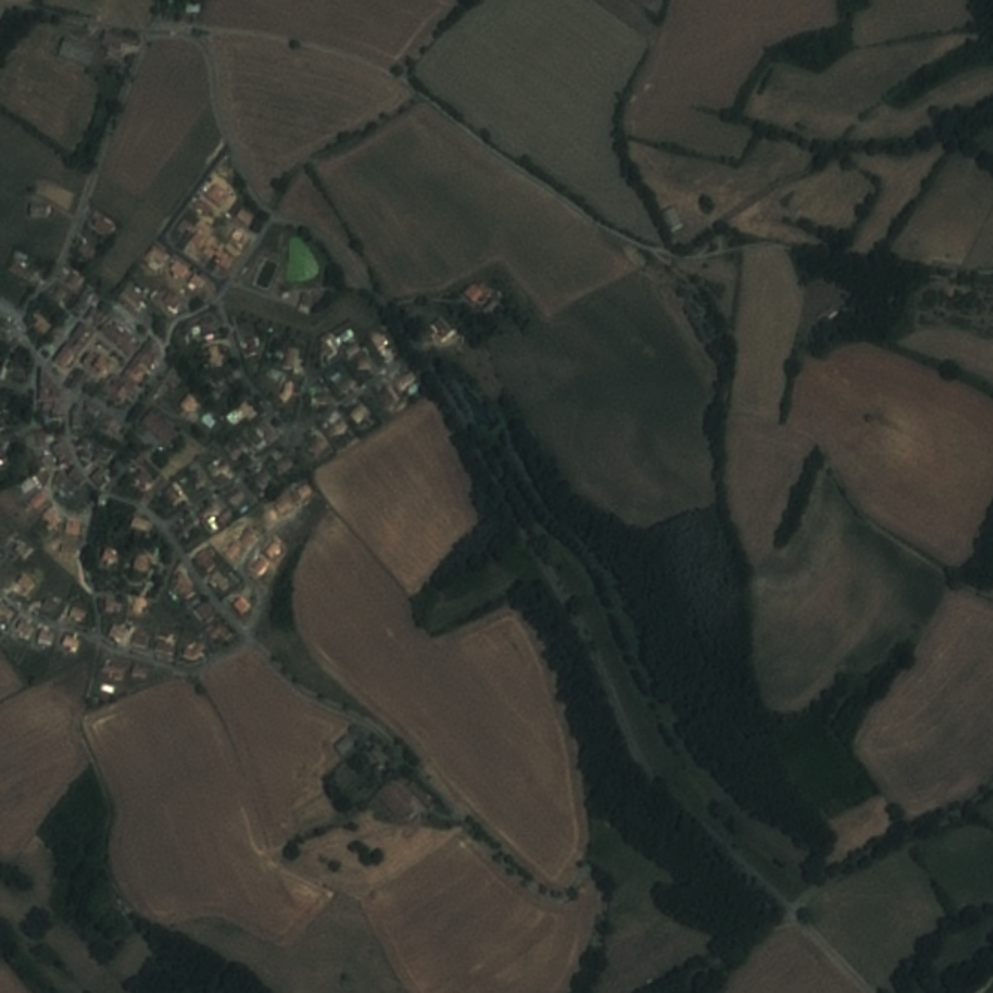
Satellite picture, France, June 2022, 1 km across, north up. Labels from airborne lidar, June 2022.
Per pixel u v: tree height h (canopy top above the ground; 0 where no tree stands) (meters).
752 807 23
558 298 0
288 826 0
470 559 16
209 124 0
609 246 0
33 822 0
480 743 0
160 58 0
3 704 0
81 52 0
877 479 0
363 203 0
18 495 0
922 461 0
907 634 0
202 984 15
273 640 0
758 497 0
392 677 0
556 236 0
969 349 0
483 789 0
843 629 0
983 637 0
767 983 0
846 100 0
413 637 0
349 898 0
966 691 0
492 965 0
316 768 0
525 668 0
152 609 0
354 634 0
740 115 13
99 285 8
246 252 0
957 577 15
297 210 0
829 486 0
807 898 0
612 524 16
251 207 9
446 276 0
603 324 0
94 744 0
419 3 0
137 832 0
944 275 10
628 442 0
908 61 0
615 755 20
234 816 0
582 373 0
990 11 12
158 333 9
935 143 9
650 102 0
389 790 0
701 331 12
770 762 17
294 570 7
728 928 19
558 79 0
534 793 0
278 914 0
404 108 7
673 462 0
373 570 0
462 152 0
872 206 11
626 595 21
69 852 12
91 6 0
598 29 0
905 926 0
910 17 0
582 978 16
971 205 0
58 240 0
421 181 0
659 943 0
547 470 18
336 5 0
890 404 0
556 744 0
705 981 20
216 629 0
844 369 0
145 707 0
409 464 0
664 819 29
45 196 0
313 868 0
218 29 0
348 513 0
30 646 0
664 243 7
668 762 0
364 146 0
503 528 17
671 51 0
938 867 0
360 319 0
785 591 0
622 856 0
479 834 7
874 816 0
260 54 0
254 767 0
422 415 0
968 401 0
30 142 0
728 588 9
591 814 10
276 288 0
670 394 0
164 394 0
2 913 0
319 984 0
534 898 0
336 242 0
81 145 7
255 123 0
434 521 0
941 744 0
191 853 0
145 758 0
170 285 0
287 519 0
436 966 0
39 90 0
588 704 18
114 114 11
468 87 0
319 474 0
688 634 19
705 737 22
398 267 0
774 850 0
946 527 0
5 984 0
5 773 0
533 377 0
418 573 0
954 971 15
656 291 0
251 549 0
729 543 11
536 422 0
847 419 0
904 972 15
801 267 11
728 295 0
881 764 0
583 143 0
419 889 0
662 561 16
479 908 0
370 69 0
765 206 0
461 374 6
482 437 15
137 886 0
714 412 16
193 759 0
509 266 0
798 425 0
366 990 0
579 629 10
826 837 18
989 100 10
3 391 6
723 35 0
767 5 0
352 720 0
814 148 13
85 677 0
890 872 0
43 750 0
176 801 0
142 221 0
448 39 0
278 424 10
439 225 0
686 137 0
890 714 0
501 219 0
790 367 13
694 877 21
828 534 0
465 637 0
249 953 0
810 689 0
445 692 0
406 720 0
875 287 16
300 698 0
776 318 0
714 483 8
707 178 0
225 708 0
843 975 0
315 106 0
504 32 0
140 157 0
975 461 0
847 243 17
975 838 0
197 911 0
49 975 0
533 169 10
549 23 0
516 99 0
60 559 0
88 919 11
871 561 0
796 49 15
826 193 0
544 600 23
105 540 12
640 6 0
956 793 0
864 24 0
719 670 12
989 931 0
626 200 0
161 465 11
